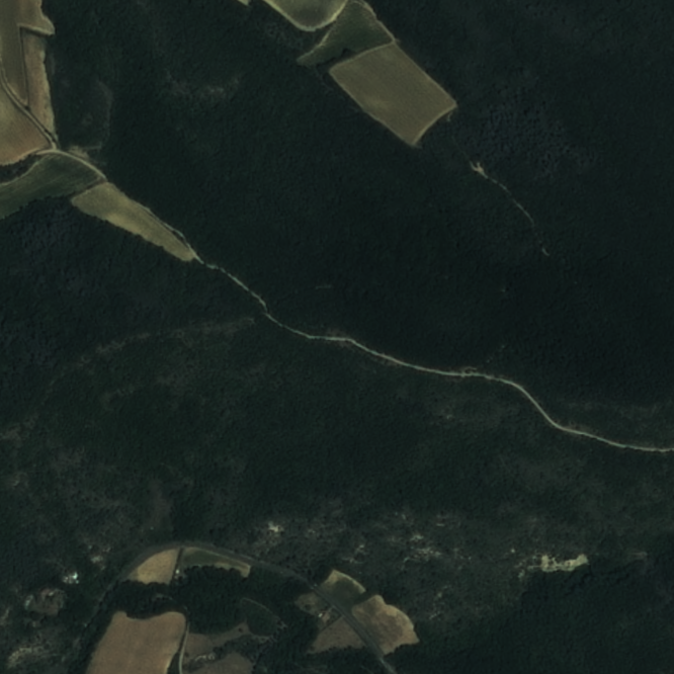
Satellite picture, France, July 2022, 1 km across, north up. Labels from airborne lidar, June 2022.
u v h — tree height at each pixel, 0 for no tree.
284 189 8
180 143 13
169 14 8
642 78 9
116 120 10
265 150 8
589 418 7
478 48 7
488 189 9
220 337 6
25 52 0
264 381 7
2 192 0
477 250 11
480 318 8
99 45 8
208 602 8
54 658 8
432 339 14
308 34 6
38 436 6
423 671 8
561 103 7
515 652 13
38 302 7
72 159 0
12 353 11
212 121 14
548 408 10
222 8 8
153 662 0
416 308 8
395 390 8
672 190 12
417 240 12
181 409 8
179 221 10
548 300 12
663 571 6
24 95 0
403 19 7
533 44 10
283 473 11
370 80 0
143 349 12
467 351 11
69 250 12
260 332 7
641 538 7
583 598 9
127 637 0
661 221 12
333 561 7
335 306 8
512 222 7
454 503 8
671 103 9
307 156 9
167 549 0
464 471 9
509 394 8
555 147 15
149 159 14
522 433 6
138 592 14
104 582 12
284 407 12
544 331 12
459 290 12
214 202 11
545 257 13
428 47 12
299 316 8
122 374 9
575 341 11
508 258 8
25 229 17
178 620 0
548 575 15
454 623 7
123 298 9
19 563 12
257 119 12
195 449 8
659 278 16
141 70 20
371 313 17
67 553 9
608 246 6
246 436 9
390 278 12
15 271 15
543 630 9
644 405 7
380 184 8
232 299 10
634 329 12
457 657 12
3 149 0
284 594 13
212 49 8
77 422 9
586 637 10
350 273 14
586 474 6
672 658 8
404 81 0
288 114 9
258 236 8
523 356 8
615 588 12
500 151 10
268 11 9
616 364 15
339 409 10
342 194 8
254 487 11
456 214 11
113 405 12
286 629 8
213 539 6
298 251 9
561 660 7
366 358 6
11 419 9
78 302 12
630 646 9
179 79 8
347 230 11
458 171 7
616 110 8
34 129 0
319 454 13
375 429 12
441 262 11
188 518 15
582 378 11
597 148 11
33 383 9
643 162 12
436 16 8
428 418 8
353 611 0
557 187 6
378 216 8
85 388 12
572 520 7
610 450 10
